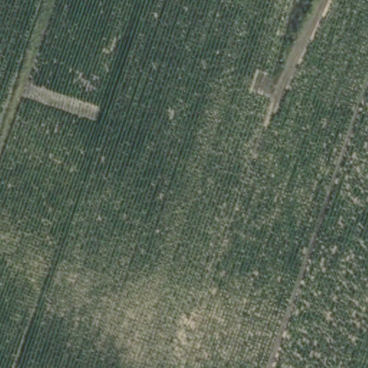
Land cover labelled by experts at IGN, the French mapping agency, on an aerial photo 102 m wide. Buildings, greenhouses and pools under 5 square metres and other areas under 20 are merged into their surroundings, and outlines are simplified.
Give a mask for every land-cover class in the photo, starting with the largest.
<instances>
[{"label":"vineyard","instance_id":"1","mask_svg":"<svg viewBox=\"0 0 368 368\"><path fill-rule=\"evenodd\" d=\"M293 0H0V368H368V0H332L331 9L321 20V27L315 34V39L309 43L302 63L296 65L295 78L290 80V89L283 92L279 109L273 112L269 125L264 126L263 119L270 101L262 95L250 92V82L256 69L266 70L270 78L279 79L292 49L290 43L282 40V36L286 32Z\"/></svg>","mask_w":368,"mask_h":368},{"label":"herbaceous vegetation","instance_id":"2","mask_svg":"<svg viewBox=\"0 0 368 368\"><path fill-rule=\"evenodd\" d=\"M332 0H293L286 32L282 36V40L290 43L292 49L279 79L270 78L266 70L256 69L250 82V92L262 95L270 101L263 119L264 126L269 125L273 112L279 109L283 92L290 89V80L295 78L296 65L302 63L309 43L315 39V34L321 27V20L331 9Z\"/></svg>","mask_w":368,"mask_h":368}]
</instances>
